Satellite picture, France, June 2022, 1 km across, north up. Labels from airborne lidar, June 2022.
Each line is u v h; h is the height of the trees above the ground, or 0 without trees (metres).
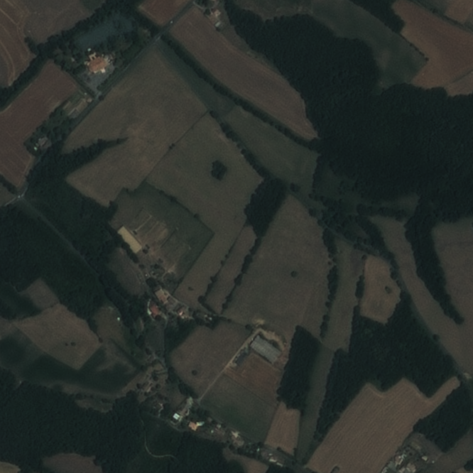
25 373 0
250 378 0
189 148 0
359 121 9
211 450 16
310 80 24
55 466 0
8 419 14
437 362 9
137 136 0
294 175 0
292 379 17
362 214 18
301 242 0
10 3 0
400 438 0
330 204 22
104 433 19
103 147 18
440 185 27
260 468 0
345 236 15
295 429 0
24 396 13
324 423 11
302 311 0
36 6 0
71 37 13
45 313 0
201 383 0
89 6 0
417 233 18
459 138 13
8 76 0
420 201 12
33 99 0
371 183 17
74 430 19
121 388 0
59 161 11
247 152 16
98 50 12
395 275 17
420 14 0
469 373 0
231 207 0
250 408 0
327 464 0
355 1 12
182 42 0
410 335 9
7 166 0
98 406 0
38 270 8
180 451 13
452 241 0
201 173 0
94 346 0
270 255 0
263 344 0
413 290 0
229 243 0
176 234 0
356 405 0
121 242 9
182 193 0
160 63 0
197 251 0
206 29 0
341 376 15
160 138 0
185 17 0
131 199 0
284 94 0
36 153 10
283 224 0
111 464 18
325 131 9
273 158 0
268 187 15
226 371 0
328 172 0
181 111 0
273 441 0
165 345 7
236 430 0
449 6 0
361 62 21
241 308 0
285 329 0
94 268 21
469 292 0
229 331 0
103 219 11
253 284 0
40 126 7
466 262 0
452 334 0
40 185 17
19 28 0
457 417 17
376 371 22
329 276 13
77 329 0
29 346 0
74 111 0
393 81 0
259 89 0
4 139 0
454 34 0
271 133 0
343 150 13
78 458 0
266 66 0
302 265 0
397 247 0
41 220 7
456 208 9
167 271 0
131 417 21
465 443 0
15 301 0
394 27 13
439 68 0
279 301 0
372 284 0
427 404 0
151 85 0
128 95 0
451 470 0
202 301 14
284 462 0
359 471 0
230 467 11
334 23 0
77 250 21
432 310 0
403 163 14
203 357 0
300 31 16
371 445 0
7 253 9
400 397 0
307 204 0
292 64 15
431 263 20
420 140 11
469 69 0
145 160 0
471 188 13
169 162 0
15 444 15
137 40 10
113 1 22
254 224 18
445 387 0
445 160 17
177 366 0
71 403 9
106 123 0
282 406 0
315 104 8
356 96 9
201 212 0
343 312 0
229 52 0
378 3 17
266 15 0
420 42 0
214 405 0
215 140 0
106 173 0
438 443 18
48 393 11
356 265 0
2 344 0
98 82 0
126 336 0
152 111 0
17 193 11
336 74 18
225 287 0
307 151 0
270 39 14
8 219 18
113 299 30
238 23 12
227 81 0
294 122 0
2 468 0
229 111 0
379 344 21
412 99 17
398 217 12
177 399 0
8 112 0
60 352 0
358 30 0
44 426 24
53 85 0
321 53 18
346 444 0
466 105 17
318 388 0
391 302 0
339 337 0
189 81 0
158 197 0
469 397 13
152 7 0
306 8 0
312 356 17
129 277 0
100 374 0
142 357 0
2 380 10
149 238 0
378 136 7
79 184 0
